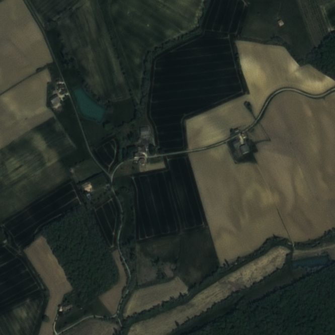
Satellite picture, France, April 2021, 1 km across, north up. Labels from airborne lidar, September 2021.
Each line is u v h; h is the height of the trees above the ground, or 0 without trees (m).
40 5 0
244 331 22
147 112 0
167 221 0
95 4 0
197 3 0
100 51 0
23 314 0
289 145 0
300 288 18
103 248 21
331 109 0
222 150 0
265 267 0
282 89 0
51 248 19
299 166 0
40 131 0
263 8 0
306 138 0
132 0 0
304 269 8
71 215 22
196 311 0
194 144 0
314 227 0
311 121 0
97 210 0
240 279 0
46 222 0
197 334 24
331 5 0
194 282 0
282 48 0
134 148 12
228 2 0
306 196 0
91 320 0
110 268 20
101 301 0
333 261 6
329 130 0
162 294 0
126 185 0
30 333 0
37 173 0
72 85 0
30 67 0
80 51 0
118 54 0
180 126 0
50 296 11
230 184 0
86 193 11
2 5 0
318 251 0
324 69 18
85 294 8
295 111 0
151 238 0
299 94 0
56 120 0
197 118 0
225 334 18
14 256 0
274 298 21
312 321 16
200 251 0
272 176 0
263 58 0
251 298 0
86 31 0
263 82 0
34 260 0
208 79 0
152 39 0
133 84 0
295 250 0
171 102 0
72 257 20
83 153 0
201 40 0
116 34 0
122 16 0
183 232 0
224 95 0
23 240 0
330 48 22
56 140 0
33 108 0
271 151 0
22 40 0
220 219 0
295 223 0
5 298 0
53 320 0
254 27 0
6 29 0
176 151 0
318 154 0
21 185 0
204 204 0
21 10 0
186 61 0
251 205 0
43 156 0
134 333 0
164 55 0
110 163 0
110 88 0
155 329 0
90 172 0
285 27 0
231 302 8
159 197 0
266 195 0
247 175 0
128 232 0
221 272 11
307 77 0
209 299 0
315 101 0
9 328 0
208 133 0
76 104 0
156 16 0
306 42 0
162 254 0
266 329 25
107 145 0
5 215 0
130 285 13
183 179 0
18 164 0
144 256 0
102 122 0
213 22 0
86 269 25
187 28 0
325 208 0
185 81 0
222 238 0
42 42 0
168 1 0
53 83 0
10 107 0
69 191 0
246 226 0
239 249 0
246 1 0
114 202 0
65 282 0
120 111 0
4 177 0
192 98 0
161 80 0
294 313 18
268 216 0
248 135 9
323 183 0
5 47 0
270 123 0
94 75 0
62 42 12
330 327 25
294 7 0
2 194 0
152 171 0
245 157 0
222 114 0
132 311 0
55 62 0
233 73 0
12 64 0
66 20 0
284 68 0
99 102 14
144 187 0
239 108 0
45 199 0
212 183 0
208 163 0
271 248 0
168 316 0
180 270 0
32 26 0
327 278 23
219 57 0
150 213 0
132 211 14
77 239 24
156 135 0
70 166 9
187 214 0
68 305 0
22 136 0
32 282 0
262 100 0
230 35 0
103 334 0
